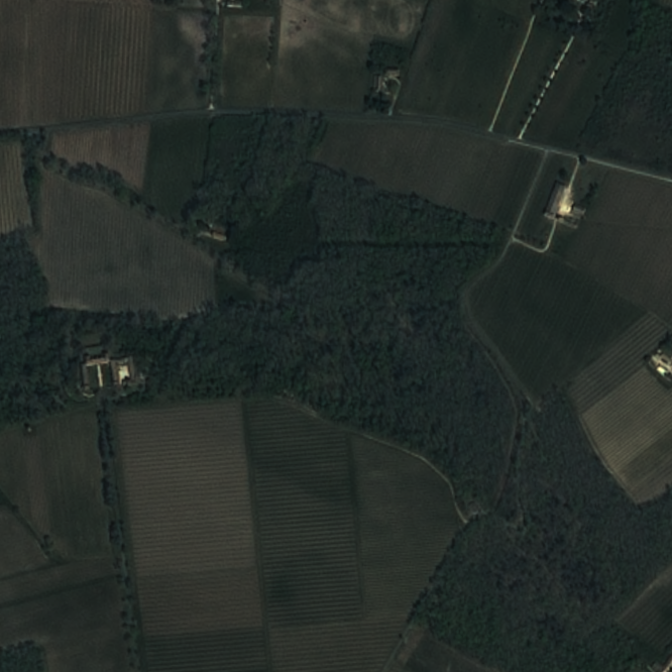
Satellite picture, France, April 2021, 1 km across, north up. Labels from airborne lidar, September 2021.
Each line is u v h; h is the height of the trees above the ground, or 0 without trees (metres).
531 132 0
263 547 0
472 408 16
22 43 0
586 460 20
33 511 0
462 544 15
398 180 0
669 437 0
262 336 24
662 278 0
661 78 6
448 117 0
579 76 0
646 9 12
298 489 0
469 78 0
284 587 0
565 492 16
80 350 20
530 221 0
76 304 0
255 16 0
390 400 27
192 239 16
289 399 7
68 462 0
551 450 21
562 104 0
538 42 0
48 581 0
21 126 0
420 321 29
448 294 22
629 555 21
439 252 17
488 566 11
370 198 20
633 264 0
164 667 0
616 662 14
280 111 0
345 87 0
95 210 0
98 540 0
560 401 16
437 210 11
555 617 16
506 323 0
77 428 0
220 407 0
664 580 0
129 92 0
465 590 20
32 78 0
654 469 0
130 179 0
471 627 21
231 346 10
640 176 0
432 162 0
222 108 0
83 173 18
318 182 18
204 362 24
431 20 0
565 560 11
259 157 17
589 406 0
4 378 22
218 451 0
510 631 17
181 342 22
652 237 0
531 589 13
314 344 24
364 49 0
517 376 0
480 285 0
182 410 0
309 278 21
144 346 14
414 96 0
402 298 24
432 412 17
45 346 26
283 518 0
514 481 13
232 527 0
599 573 14
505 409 15
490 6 0
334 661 0
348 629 0
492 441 13
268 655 0
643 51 7
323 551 0
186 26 0
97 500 0
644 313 0
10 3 0
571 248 0
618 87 6
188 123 0
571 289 0
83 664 0
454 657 0
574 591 20
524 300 0
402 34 0
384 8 0
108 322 13
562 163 0
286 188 19
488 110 0
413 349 26
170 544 0
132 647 12
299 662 0
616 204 0
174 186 0
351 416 14
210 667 0
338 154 0
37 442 0
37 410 20
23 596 0
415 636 0
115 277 0
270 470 0
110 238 0
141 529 0
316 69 0
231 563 0
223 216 12
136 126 0
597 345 0
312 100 0
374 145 0
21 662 22
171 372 14
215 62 12
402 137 0
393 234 18
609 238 0
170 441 0
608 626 14
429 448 18
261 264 11
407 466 0
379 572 0
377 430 15
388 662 0
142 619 0
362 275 21
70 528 0
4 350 22
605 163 0
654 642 0
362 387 22
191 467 0
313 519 0
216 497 0
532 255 0
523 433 14
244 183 10
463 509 14
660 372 0
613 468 0
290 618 0
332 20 0
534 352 0
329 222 19
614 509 19
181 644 0
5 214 0
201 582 0
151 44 0
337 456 0
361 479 0
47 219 0
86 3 0
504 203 0
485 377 19
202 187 8
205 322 13
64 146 0
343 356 24
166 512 0
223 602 0
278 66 0
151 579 0
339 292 21
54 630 0
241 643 0
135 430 0
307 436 0
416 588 0
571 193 0
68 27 0
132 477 0
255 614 0
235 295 0
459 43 0
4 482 0
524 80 0
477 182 0
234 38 0
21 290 26
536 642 11
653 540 21
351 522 0
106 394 0
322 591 0
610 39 0
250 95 0
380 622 0
